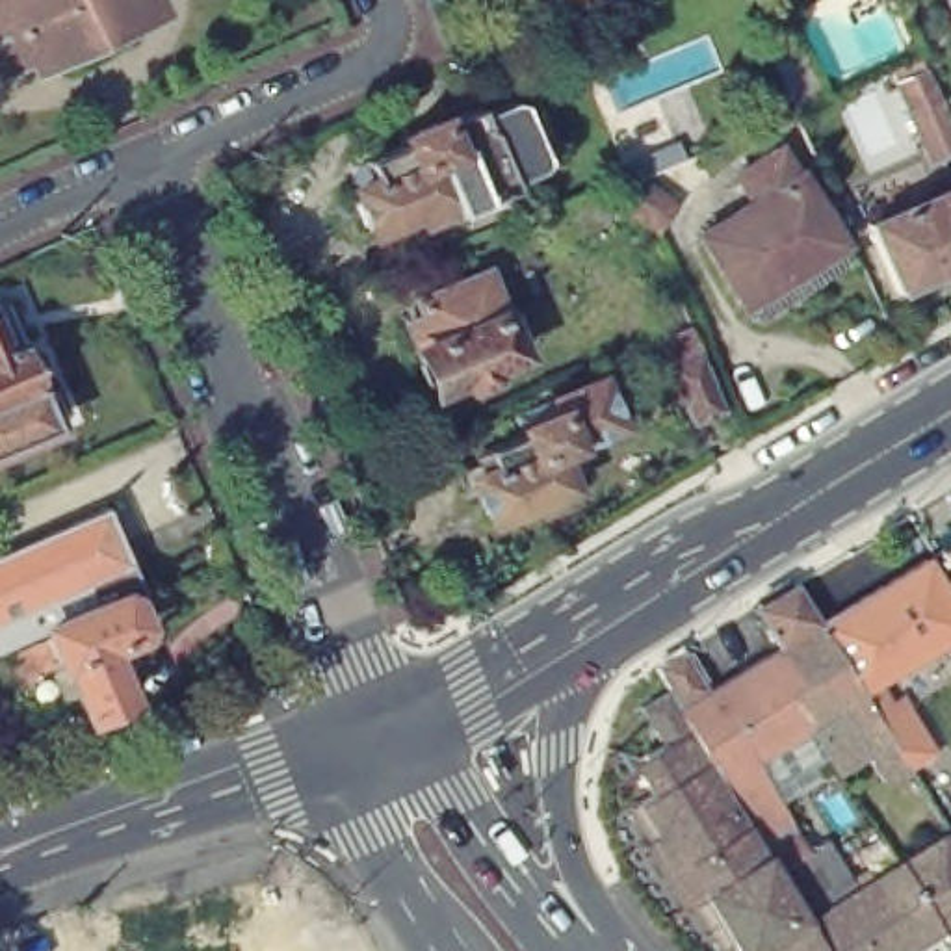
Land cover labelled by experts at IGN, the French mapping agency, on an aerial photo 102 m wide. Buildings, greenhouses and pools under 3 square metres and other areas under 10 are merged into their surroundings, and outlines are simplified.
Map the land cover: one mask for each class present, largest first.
<instances>
[{"label":"impervious surface","instance_id":"1","mask_svg":"<svg viewBox=\"0 0 951 951\"><path fill-rule=\"evenodd\" d=\"M175 15L152 33H145L137 45L126 48L111 37L97 48V67L82 59L59 74L33 78L30 85H11L0 97V108L56 111L67 97H74L108 111L115 126V141L108 149L93 156H63L19 178L0 175V357L26 349L37 353L41 364L52 371V394L59 409H71V423L82 427V409L48 345V323L78 316L123 312V293H115L104 301H85L74 312L56 301H41L30 286V260L48 245L71 238L104 241L149 230L152 238H163L175 249L171 267L182 342L201 368L197 383L178 386L186 420L175 423L178 438H160L48 494L30 498L22 509L0 494V557L37 546L108 513L119 516L123 535L130 542L145 528L152 531L163 554H175L186 542L189 531L212 520L208 509H186L171 483V468L182 461L189 446L201 442L208 449L223 438L234 461H241L249 449L256 453L260 479L271 502L267 539L286 546L297 557L301 572L297 613L275 609L264 628L312 661V669L323 680V698L312 706H297L282 691H267L260 710L245 721V736L223 743L186 739L182 776L167 795L141 799L115 788H85L63 810L52 814H45L33 795L22 806H7L0 814V951H52L56 940L41 925L48 914L93 910L100 899L111 903L126 892L160 888L167 895L175 899V910L197 906L201 892L227 888L234 895L238 884H260L271 895H282V880L275 873L293 869L301 862L331 892L338 906L353 910L349 921L364 932L371 951H676L672 932H654L650 914L620 880V866L609 851L598 817L602 769L613 739V717L624 695L650 676L654 669H665V661L695 658L710 676V687H724L773 658L765 620L788 594L806 591L821 617H840L843 609L910 576L914 568L944 561L951 554V290L906 297L921 316L936 319V327L929 331V349L914 353L903 364H877L862 371L851 383L836 386L814 397L791 420L724 453L717 464L691 472L658 498L587 535L576 550L554 557L550 565L505 587L502 602L479 617H446L438 628H416L409 624L401 606L375 609V583L383 576L386 557L379 539L364 557L345 550V520L357 513L360 502L342 498V505H327V472L338 468L342 453L308 457L305 446L293 442L297 423L323 420L327 405L308 394H290L279 371L253 360L241 327L208 290L215 249L208 245L204 230L212 223L208 201L215 204L230 189L223 171L256 163L271 149H286L293 137L319 134L349 119L357 104H364L375 93L409 85L423 97L435 78L431 63L442 48L435 19L446 15V0H342L349 15L342 37L319 41L316 48L282 59L267 71L215 85L204 97L186 100L156 119H141L134 111L130 82H145L149 63L178 48L186 33L189 0H171ZM884 524L895 531L903 546V561L895 565H877L866 550V542H873ZM888 19L884 0H817L814 19ZM695 82L665 89L632 108H617L609 89L594 85L598 111L613 134L602 160L606 167L624 175L620 156L646 145H661L672 134L691 137H702L706 123L691 100ZM825 201L836 208L854 253V264L840 271V282L843 290L877 301H884L888 293L869 253L866 227L895 219L910 208L925 212L929 201L951 193V163L944 167L918 141L910 156L888 167L869 171L858 163L851 171L849 189H821ZM747 163L728 160L717 171H702L695 160H687L661 171L665 178L684 186V204L676 212L672 234L684 253H691L702 238L706 219L721 204L743 197ZM238 617V606L230 598L208 606L193 620H186L171 650H156L134 661L137 695L149 702L178 672L182 654H189L197 643H204L212 632L227 628ZM840 795L830 780L793 801L806 806L814 828L821 832L817 847H832L840 866L851 873V884L828 899V910L877 888L895 869H903V862L892 854L880 869L858 866L862 851L884 843L854 817L851 828L832 825L821 799Z\"/></svg>","mask_w":951,"mask_h":951},{"label":"deciduous trees","instance_id":"2","mask_svg":"<svg viewBox=\"0 0 951 951\"><path fill-rule=\"evenodd\" d=\"M349 15L342 0H230L227 19H215L201 37L178 48L149 63L145 82H130L134 111L141 119H156L186 100L204 97L215 85L267 71L282 59L316 48L319 41L342 37ZM446 15L435 19L442 48L431 63L435 78L423 97L409 85L375 93L364 104H357L349 119L319 134L293 137L286 149H271L256 163L223 171L230 189L215 204L208 201L212 223L204 230L208 245L215 249L208 290L241 327L253 360L279 371L290 394H308L327 405L323 420L297 423L293 442L305 446L308 457L342 453L338 468L327 472V505H342V498L360 502L357 513L345 520V550L364 557L379 539L394 524H412L416 505L427 494L449 487L468 472L483 453H490L487 442L509 435L531 405L550 397L554 390L591 386L598 379H609L620 390L628 416L639 420L635 431L643 446L654 453L635 468L639 483L583 502L561 520L498 535L479 531L476 539L461 535L438 546L409 539L386 557L383 576L375 583V609L401 606L409 624L416 628H438L446 617H479L502 602L505 587L550 565L554 557L576 550L587 535L658 498L691 472L687 461L672 449L680 446L691 423L687 416L665 409L661 394L672 386V368L654 364L650 357L661 345V334H669L676 323H691V308L646 290V312L635 331L617 334L598 349H587L583 357L542 371L483 401L468 397L442 405L438 397L423 405L416 397H405L401 405L379 409L368 390L357 386L360 360H353L342 345L338 301L316 282L293 279V271L282 264L279 245L249 212V201L256 193L286 197V171L312 163L331 137H349L345 156L357 167L397 160L401 152H409L416 134L449 123L464 97L479 100L535 93L554 104L576 108L587 119L598 111L594 85L609 89L620 78L643 74L650 59L639 45L672 26L669 0H446ZM747 15L736 30L739 56L762 63L780 59L784 33L780 30L788 0H743ZM888 19H903L906 30H914L929 45L925 63L929 85L944 97L951 119V0H884ZM717 119L706 123L702 137H691V149L684 152L687 160H695L702 171H717L728 160L747 163H758L762 149L780 141L784 134L814 137L847 126L843 111L862 93L851 82L847 89H836L832 78L828 74L810 85L817 100L806 111H795L769 85L736 74L724 63L717 78ZM115 141V126L108 111L74 97H67L56 111L52 145L63 156H93L108 149ZM576 193H583L602 212H617L628 204L639 208L643 193L624 175L606 167L602 160L583 182L561 171L546 182H531L528 193L516 204H505V212L494 223L453 227L442 234H409L394 245H383V264L368 290H383L405 305L427 301L435 290H446L483 271L479 260L490 249L528 256L535 230H554L565 219L568 197ZM331 238L353 256H364L379 245L357 215L353 178L338 182L334 201L319 215ZM175 249L163 238H152L149 230L104 241L97 249V267L115 279V293H123V312L78 316V338L93 327L97 334L123 338L130 349H137L149 371V386L175 423L186 420L178 386L197 383L201 368L182 342L171 267ZM814 327L802 338L847 349V360L862 371L877 364H903L914 353L929 349V331L936 327V319L921 316L906 297L888 293L884 301H877L843 290L840 282H828L821 293L806 297L795 308ZM379 349L394 357L405 371L416 368V345L409 327L386 319L379 327ZM204 457L212 468V483L227 509L212 520L189 531L186 542L204 550V568L182 580L186 594L178 617L160 620L156 650H171L186 620H193L208 606L230 598L238 606V617L227 628L212 632L204 643H197L189 654H182L178 672L149 702L123 728L97 732L82 702H37L33 691L0 676V814L7 806H22L33 795L45 814H52L63 810L85 788H115L141 799L167 795L182 776L186 739L223 743L245 736V721L260 710L267 691H282L297 706H312L323 698V680L312 669V661L264 628L275 609L297 613L301 572L297 557L286 546L267 539L271 502L260 479L256 453L249 449L241 461H234L223 438L208 449ZM866 550L877 565H895L903 561V546L895 531L884 524L873 542H866ZM646 721H635L620 739H613L602 769L598 817L609 851L620 866V880L650 914L654 932H672L676 951H717L680 906H672L661 895L658 884L665 880V873L654 858V843L628 817V810L639 806V754H650ZM821 776L830 780L840 795H847L851 802L873 791V769H854L847 776L836 765H821Z\"/></svg>","mask_w":951,"mask_h":951},{"label":"building","instance_id":"3","mask_svg":"<svg viewBox=\"0 0 951 951\"><path fill-rule=\"evenodd\" d=\"M175 15L171 0H0V97L11 85H30L33 78L59 74L82 59L97 67V48L111 37L126 48L137 45L145 33H152ZM884 93L903 97L918 141L944 167L951 163V119L944 97L929 85L925 63H910L877 82ZM561 171V156L550 141L539 108L516 104L483 115L479 100L464 97L449 123L416 134L409 152H401L397 160L357 167L353 178L357 215L379 245H394L409 234H442L453 227L494 223L505 212V204H516L528 193L531 182H546ZM691 149V137L672 134L661 145H646L620 156L624 175L643 193L639 208L646 212V230L672 234L676 212L684 204V186L665 178L661 171L687 160L684 152ZM758 163H747L743 197L721 204L706 219L702 238L710 241L721 271L728 275L732 290L754 319H773L795 308L806 297L821 293L828 282H840V271L854 264V253L836 208L825 201L821 189L780 141L762 149ZM869 253L888 293L906 297L951 290V193L929 201L925 212L910 208L895 219L866 227ZM502 275L483 271L446 290H435L427 301L423 316L409 327L416 345V368L423 383L438 390V397L442 405L468 397L483 401L542 371L535 360L539 334L513 323ZM661 345L650 357L654 364L672 368V386L661 394L665 409L687 416L691 423L717 431L728 416L730 403L691 323H676L669 334H661ZM82 427L71 423V409H59L52 394V371L41 364L37 353L26 349L0 357V461L15 468L33 464L48 449L74 442ZM639 420L628 416L620 390L609 379H598L591 386L554 390L550 397L531 405L509 435L487 442L490 453H483L468 472L472 498H479L498 535L561 520L583 502L576 490L580 464L587 457H598L602 449H613V442L635 431ZM145 580L137 576V557L130 542L123 535L119 516L108 513L37 546L0 557V676L33 691L37 702H82L97 732L123 728L149 702L137 695L134 661L156 650L160 620L152 602L141 598ZM773 658L724 687H710V676L695 658L665 661V669H654L650 676L661 687L646 698V721L650 754H639V806L628 810V817L654 843V858L665 873V880L658 884L661 895L672 906H680L717 951H951V840H940L929 851L903 862V869H895L877 888L828 910V899L851 884V873L840 866L832 847H817L821 832L814 828L806 806L793 801L830 780L821 776V765H836L847 776L854 769H873V776L884 784L918 780L921 769H929L940 758V747L932 743L914 710L910 702H895L888 687H906L925 665L951 654V554L944 561L914 568L910 576L843 609L840 617H821L806 591L788 594L765 620ZM892 854V847L884 843L862 851L858 866L880 869Z\"/></svg>","mask_w":951,"mask_h":951},{"label":"herbaceous vegetation","instance_id":"4","mask_svg":"<svg viewBox=\"0 0 951 951\"><path fill-rule=\"evenodd\" d=\"M230 0H189L186 33L178 48L201 37L215 19H227ZM672 26L639 45L650 59L684 48L698 37H710L713 52L724 63L736 74L769 85L795 111H806L817 100L810 85L799 63L780 59L762 63L739 56L736 30L747 15L743 0H669ZM817 0H788L780 30L784 33L810 41L814 19ZM717 78L702 74L695 82L691 100L706 123L717 119ZM516 104L539 108L550 141L561 156V171L583 182L602 160L613 134L598 111L587 119L576 108L554 104L535 93L479 100L483 115ZM56 111L0 108V163L26 160L30 152L52 145ZM849 189L851 171L858 163L847 126L814 137ZM249 212L279 245L282 264L293 271V279L316 282L338 301L342 345L353 360H360L357 386L368 390L379 409L401 405L405 397H416L423 405L438 397V390L423 383L416 368L405 371L394 357L379 349V327L386 319L409 327L423 316L427 301L405 305L383 290H368L383 264V245H379L364 256H353L331 238L319 215L286 197L256 193L249 201ZM687 256L695 275L702 279V290L721 327L739 316V323L754 334L802 338L814 327L795 308L773 319H754L732 290L728 275L721 271L710 241L702 238L691 253H684L672 234L646 230V212L639 208L628 204L617 212H602L583 193H576L568 197L565 219L554 230H535L528 256L490 249L479 260L483 271L502 275L513 323L539 334L535 360L542 371L583 357L587 349H598L617 334L635 331L646 312V290L654 275L672 271V264ZM104 241L71 238L48 245L30 260V286L41 301H56L74 312L85 301H104L115 293V279L97 267V249ZM48 345L82 409V427L74 442L48 449L33 464L15 468V483H30L74 462V457L149 425L156 427L152 435L160 438H178L175 423L149 386V371L137 349H130L123 338L97 334L93 327L78 338V316L48 323ZM788 368L754 364V383L739 386L747 409H762L776 401ZM654 453L643 446L635 431L613 442V449H602L598 457H587L580 464L576 490L583 502L639 483L635 468ZM208 449L201 442L189 446L182 461L171 468V483L186 509H208L212 520L227 509L212 483V468L204 457ZM137 557V576L145 580L141 598L152 602L160 620L178 617L186 594L182 580L204 568V550L186 542L175 554H163L152 531L145 528L130 542ZM661 687L650 676L624 695L613 717V739H620L635 721H646V698ZM932 743L940 747L951 750V691L936 687L914 710ZM854 817L884 843L892 847V854L903 862L929 851L940 840H951V825H936L940 817L918 780L884 784L873 776V791L851 802ZM234 895L227 888L201 892L197 906L175 910V899L167 895L156 906L126 910L119 918V940L111 944V951H238L197 947L186 932L189 925H234Z\"/></svg>","mask_w":951,"mask_h":951},{"label":"pervious surface","instance_id":"5","mask_svg":"<svg viewBox=\"0 0 951 951\"><path fill-rule=\"evenodd\" d=\"M349 137H331L312 163L286 171V197L319 215L334 201L338 182L353 178L357 167L345 156ZM721 338L732 353V375L739 386L754 383V364L788 368L821 371L836 386L851 383L862 371L847 360V349L802 338L754 334L739 323V316L721 327ZM479 531L498 535L479 498H472L468 472L449 487L427 494L416 505L412 524H394L379 539L386 557L409 539L438 546L461 535L476 539ZM936 687L951 691V654L925 665L906 687H888L895 702H910L914 710ZM940 817L936 825H951V750L940 747V758L929 769H921L918 780ZM282 880V895H271L260 884H238L234 895V925H189L186 932L197 947L238 951H371L364 932L349 921L353 910L338 906L331 892L301 862L293 869L275 873ZM167 895L160 888L126 892L111 903L100 899L93 910L48 914L41 925L56 940L52 951H111V944L119 940V918L126 910L156 906Z\"/></svg>","mask_w":951,"mask_h":951},{"label":"brushwood","instance_id":"6","mask_svg":"<svg viewBox=\"0 0 951 951\"><path fill-rule=\"evenodd\" d=\"M929 45L914 30H906L903 52H892L888 59H877L847 78H832L836 89H847L851 82L862 93L877 82L910 63H925ZM780 59L799 63L810 85L828 74L810 41L784 33ZM780 141L821 189H849L814 137L784 134ZM63 156L52 145L30 152L26 160L0 163V175L19 178ZM646 290L691 308V323L730 403L728 416L717 431L691 423L680 446L672 449L687 461L691 472L717 464L724 453L791 420L814 397L836 386L821 371L788 368L776 401L762 409H747L739 386L732 375V353L721 338V327L702 290V279L695 275L687 256L672 264V271L654 275ZM156 427L149 425L74 457V462L30 483H15V468L0 461V494L22 509L30 498L48 494L160 438L152 435Z\"/></svg>","mask_w":951,"mask_h":951},{"label":"swimming pool","instance_id":"7","mask_svg":"<svg viewBox=\"0 0 951 951\"><path fill-rule=\"evenodd\" d=\"M828 74L832 78H847L877 59H888L892 52H903L906 30L903 19H814L810 41ZM724 63L713 52L710 37H698L684 48L650 59L643 74L620 78L609 89L617 108H632L665 89L695 82L702 74L717 78ZM847 126L858 163L869 171L888 167L910 156L918 141L903 97L884 93L877 82L862 93L843 111ZM832 825L851 828L854 817L851 802L847 795H840L821 799Z\"/></svg>","mask_w":951,"mask_h":951}]
</instances>
